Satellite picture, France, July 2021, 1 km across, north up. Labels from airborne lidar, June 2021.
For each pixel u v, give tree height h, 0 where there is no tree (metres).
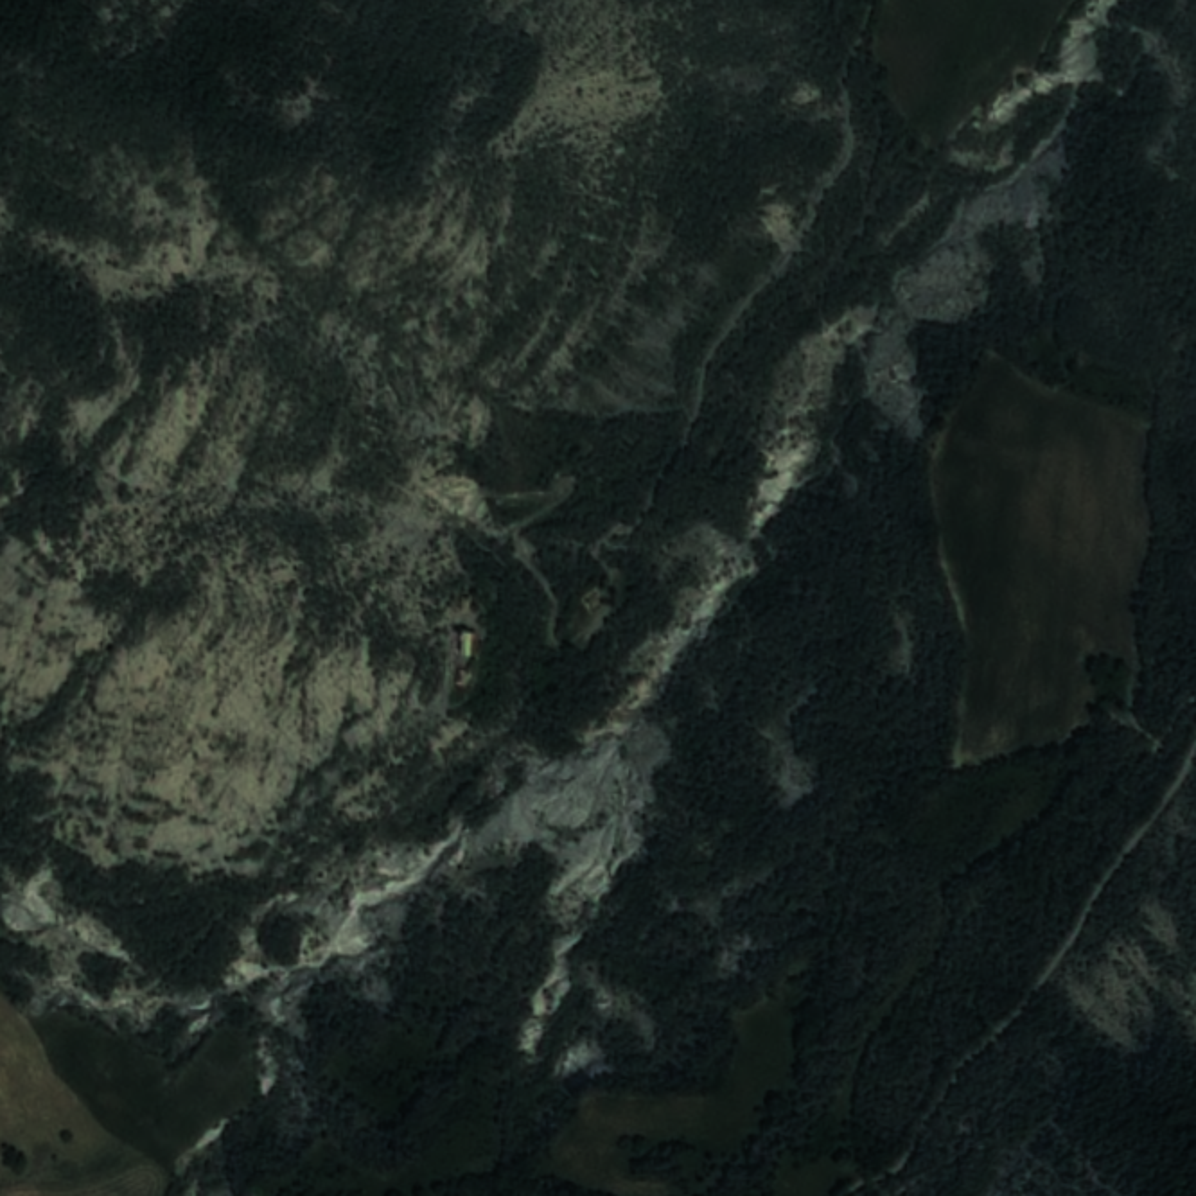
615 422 9
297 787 6
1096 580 0
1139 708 13
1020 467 0
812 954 7
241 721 0
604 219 6
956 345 17
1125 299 8
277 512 7
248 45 9
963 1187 11
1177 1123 18
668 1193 0
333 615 8
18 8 14
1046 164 0
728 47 6
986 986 19
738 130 7
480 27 8
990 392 0
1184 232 10
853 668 13
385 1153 18
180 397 0
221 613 0
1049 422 0
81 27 9
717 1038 13
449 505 0
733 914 8
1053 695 0
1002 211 0
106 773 0
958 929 15
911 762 13
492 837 0
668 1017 12
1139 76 9
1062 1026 11
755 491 6
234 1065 0
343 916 0
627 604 11
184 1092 0
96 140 6
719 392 6
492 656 8
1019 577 0
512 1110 11
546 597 12
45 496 11
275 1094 10
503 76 8
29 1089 0
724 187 10
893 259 9
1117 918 6
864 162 9
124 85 11
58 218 6
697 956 9
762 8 7
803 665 7
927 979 12
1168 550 13
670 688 5
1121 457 0
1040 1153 9
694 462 10
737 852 11
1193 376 14
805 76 5
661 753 0
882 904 15
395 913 0
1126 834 10
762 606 9
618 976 8
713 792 13
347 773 6
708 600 0
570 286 7
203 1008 0
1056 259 9
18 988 7
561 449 9
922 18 0
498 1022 11
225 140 8
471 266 0
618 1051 8
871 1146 13
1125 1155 9
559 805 0
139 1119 0
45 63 7
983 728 0
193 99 12
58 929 0
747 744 9
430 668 6
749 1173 13
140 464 0
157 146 9
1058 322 14
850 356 8
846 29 9
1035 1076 10
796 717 10
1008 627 0
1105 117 12
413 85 12
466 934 12
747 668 8
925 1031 12
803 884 11
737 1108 0
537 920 8
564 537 9
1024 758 15
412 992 7
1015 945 21
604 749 0
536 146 6
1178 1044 14
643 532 5
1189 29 7
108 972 8
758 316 9
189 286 8
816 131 7
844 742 15
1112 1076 14
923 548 10
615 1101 0
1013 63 0
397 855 0
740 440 6
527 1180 19
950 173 9
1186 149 6
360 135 9
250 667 0
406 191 7
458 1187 12
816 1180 0
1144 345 11
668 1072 14
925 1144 11
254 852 8
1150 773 9
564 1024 9
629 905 6
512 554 7
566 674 17
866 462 8
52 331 8
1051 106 7
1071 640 0
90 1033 0
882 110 7
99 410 0
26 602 0
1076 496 0
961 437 0
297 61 8
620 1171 0
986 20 0
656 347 0
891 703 16
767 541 11
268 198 7
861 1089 15
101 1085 0
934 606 8
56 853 6
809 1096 13
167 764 0
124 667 0
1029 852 23
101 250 0
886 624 11
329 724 0
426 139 7
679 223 9
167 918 10
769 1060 0
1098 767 18
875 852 11
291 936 7
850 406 9
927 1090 12
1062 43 10
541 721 7
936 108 0
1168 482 20
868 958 8
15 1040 0
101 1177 0
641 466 9
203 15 12
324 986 8
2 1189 0
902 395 0
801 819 12
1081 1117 13
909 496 10
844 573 13
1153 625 14
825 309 8
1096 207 11
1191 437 14
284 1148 10
